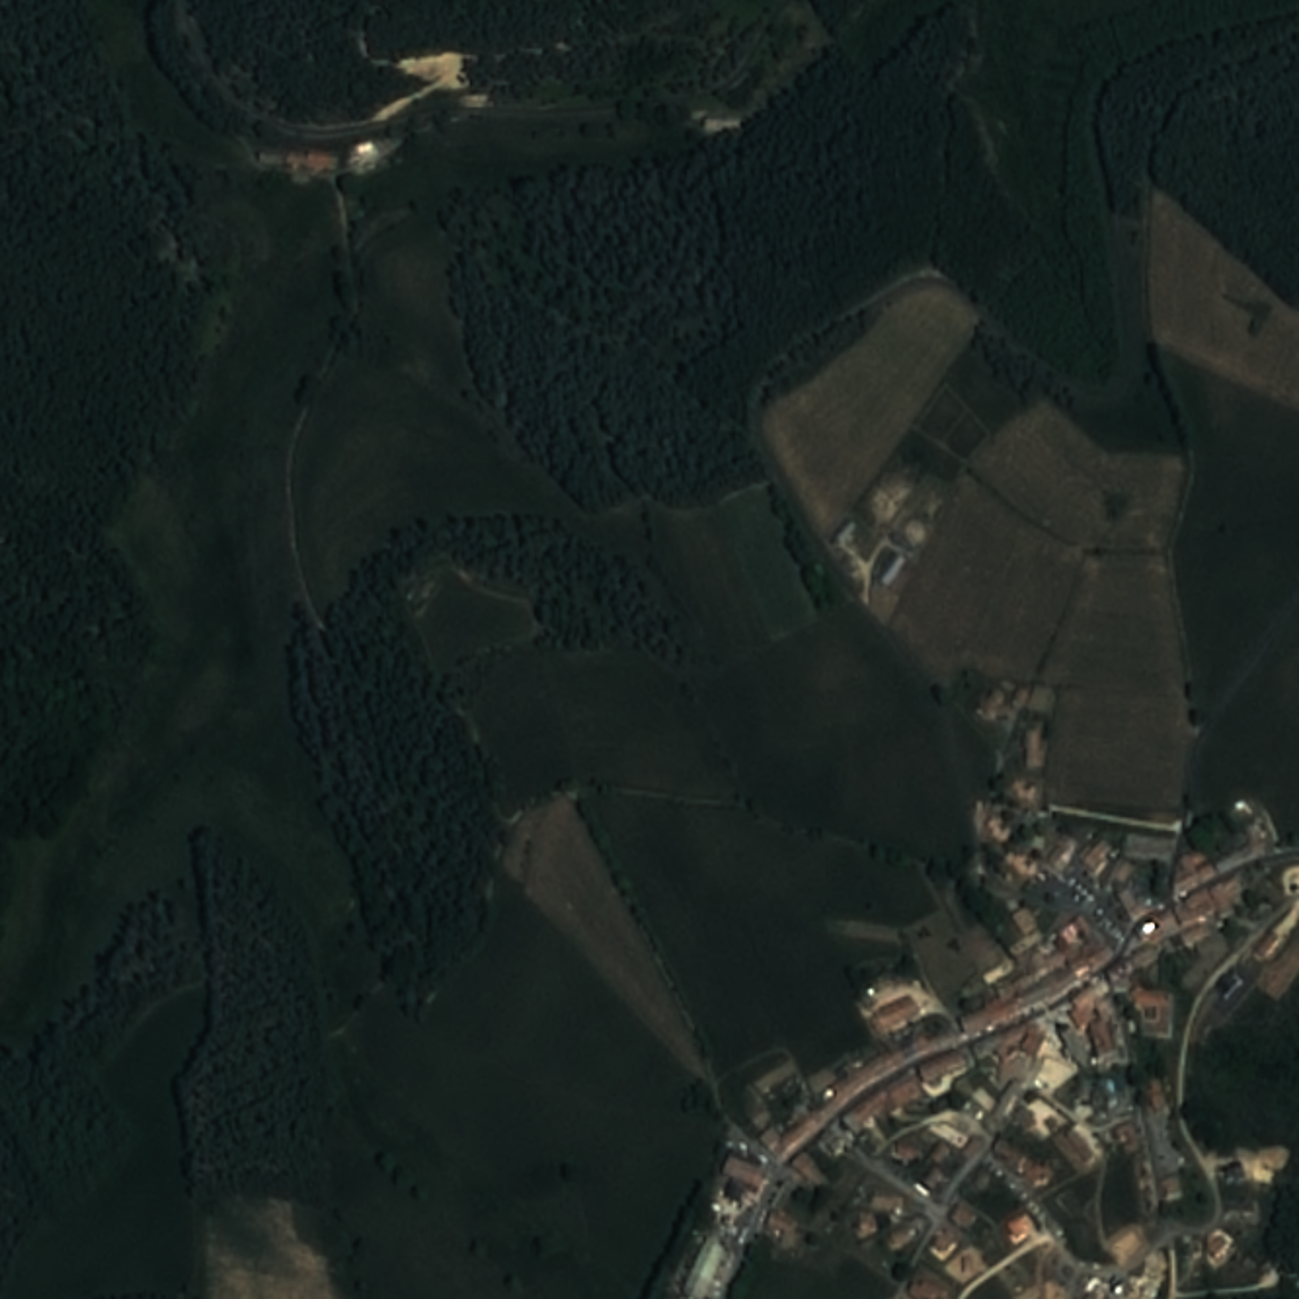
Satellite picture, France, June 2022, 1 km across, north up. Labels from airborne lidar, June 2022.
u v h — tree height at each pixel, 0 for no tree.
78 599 15
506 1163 0
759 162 20
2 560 25
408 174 0
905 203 20
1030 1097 8
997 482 0
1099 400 0
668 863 0
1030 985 0
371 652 16
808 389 0
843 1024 0
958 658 0
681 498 16
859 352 0
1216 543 0
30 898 0
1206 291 0
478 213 12
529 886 0
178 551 0
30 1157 26
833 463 0
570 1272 0
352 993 0
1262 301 0
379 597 15
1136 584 0
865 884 0
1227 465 0
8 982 0
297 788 0
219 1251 0
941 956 0
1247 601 0
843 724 0
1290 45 14
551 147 0
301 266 0
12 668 18
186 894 12
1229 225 25
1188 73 20
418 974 16
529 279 14
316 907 0
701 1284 0
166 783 0
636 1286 0
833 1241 0
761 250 22
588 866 0
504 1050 0
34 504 15
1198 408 0
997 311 12
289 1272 0
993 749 0
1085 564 0
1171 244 0
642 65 10
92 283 25
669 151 7
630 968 0
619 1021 0
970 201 19
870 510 0
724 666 0
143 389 21
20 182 31
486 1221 0
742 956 0
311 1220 0
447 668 0
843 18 22
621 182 16
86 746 9
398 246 0
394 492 0
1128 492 0
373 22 18
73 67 30
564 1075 0
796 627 0
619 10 9
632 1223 0
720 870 0
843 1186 0
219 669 0
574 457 25
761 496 0
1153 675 0
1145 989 11
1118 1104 0
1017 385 11
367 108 12
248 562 0
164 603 0
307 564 0
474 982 0
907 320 0
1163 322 0
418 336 0
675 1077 0
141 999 15
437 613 0
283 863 0
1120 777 0
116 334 25
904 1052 0
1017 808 9
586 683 0
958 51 22
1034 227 16
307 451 0
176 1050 0
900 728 0
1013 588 0
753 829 0
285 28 11
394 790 14
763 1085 0
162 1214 0
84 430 18
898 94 19
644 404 26
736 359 21
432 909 19
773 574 0
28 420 17
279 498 0
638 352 13
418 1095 0
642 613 12
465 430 0
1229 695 0
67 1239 0
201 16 12
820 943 0
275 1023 29
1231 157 24
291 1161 29
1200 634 0
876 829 0
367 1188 0
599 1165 0
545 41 15
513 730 0
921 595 0
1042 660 0
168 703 0
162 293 24
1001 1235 0
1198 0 9
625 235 20
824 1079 0
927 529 0
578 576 16
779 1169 0
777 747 0
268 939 25
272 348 0
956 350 0
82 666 14
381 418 0
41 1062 22
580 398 21
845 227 20
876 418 0
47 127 27
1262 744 0
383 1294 0
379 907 17
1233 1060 7
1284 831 0
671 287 18
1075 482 0
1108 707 0
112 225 26
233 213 0
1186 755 0
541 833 0
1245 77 16
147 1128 0
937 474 0
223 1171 28
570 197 8
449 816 10
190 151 0
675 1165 0
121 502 15
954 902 0
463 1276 0
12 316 26
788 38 6
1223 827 11
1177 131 22
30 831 17
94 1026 18
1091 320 8
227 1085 29
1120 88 16
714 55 7
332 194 0
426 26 15
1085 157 9
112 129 27
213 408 0
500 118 0
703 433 26
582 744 0
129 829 0
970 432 0
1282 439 0
